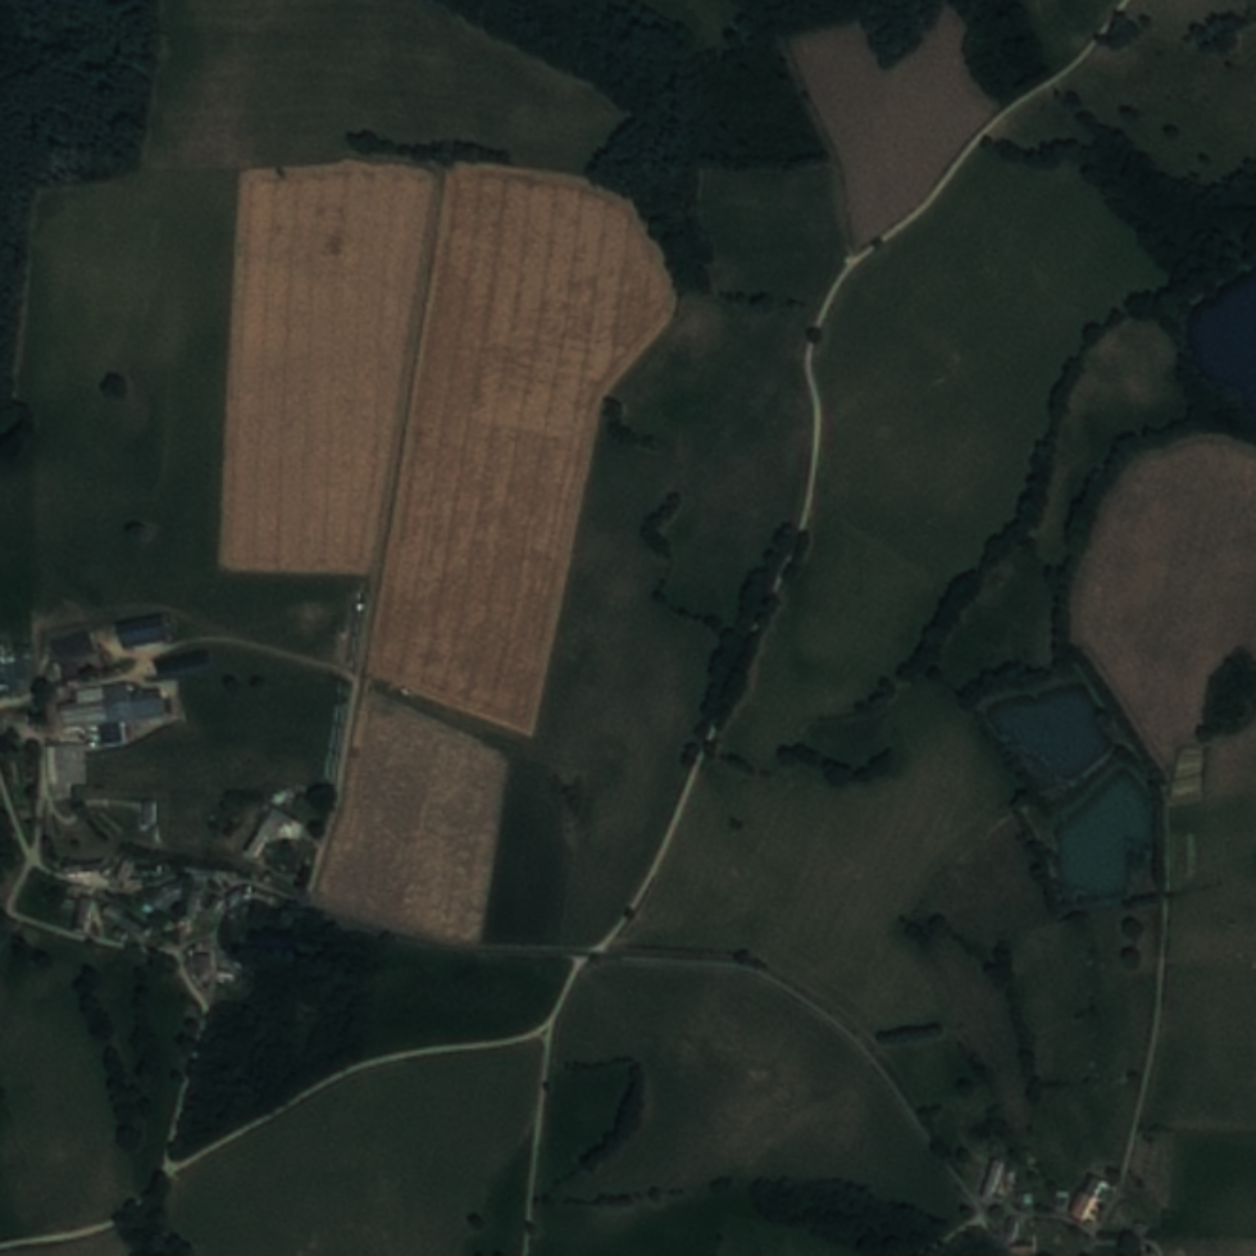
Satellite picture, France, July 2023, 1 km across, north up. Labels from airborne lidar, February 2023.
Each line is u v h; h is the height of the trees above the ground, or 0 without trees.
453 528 0
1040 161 17
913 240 0
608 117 0
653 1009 0
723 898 0
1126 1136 0
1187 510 0
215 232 0
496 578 0
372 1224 0
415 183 0
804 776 0
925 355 0
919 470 0
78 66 25
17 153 26
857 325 0
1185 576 0
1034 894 0
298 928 16
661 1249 0
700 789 0
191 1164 0
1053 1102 0
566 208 0
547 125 0
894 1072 0
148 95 16
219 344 0
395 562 0
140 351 0
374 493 0
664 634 0
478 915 0
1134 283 0
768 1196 12
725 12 0
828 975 0
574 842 0
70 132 23
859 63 0
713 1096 0
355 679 0
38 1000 0
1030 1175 7
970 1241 11
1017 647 0
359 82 0
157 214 0
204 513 0
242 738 0
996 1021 0
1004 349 0
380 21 0
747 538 0
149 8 20
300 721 0
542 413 0
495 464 0
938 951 0
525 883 0
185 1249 14
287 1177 0
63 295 0
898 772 0
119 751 0
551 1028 0
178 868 7
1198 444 0
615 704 0
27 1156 0
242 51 0
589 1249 0
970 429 0
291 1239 0
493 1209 0
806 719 0
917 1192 0
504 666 0
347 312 0
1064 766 0
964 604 20
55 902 12
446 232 0
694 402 0
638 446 11
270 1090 16
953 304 0
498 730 0
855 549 0
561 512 0
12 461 8
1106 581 0
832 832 0
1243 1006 0
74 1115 0
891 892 0
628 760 0
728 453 0
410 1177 0
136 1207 11
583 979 0
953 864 0
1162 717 0
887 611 0
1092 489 16
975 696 15
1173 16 0
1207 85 0
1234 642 0
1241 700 5
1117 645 0
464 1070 0
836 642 0
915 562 0
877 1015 0
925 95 0
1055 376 0
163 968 16
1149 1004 0
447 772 0
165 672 0
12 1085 0
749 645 12
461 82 0
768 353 0
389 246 0
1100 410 0
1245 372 0
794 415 0
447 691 0
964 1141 0
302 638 0
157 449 0
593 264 0
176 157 0
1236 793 0
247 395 0
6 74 21
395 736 0
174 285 0
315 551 0
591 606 0
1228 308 0
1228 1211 0
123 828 0
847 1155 0
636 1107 16
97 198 0
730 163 16
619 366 0
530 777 0
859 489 0
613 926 0
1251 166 12
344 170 0
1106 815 0
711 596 0
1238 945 0
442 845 0
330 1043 7
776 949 0
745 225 0
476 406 0
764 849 0
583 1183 0
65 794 0
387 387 0
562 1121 0
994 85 16
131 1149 13
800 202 0
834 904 0
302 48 0
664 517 11
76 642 0
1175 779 0
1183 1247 0
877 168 0
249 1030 7
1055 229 0
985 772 0
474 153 15
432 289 0
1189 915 0
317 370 0
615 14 17
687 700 0
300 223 0
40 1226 0
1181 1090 0
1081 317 0
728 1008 0
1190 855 0
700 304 0
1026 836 11
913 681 12
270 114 0
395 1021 0
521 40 17
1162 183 15
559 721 0
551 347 0
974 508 0
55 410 0
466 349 0
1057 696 0
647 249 0
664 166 19
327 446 0
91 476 0
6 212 17
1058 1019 0
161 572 0
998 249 0
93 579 0
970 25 10
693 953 0
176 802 0
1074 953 0
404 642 0
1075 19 0
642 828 0
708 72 11
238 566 0
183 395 0
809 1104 0
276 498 0
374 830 0
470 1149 0
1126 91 0
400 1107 0
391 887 0
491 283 0
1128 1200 0
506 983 0
